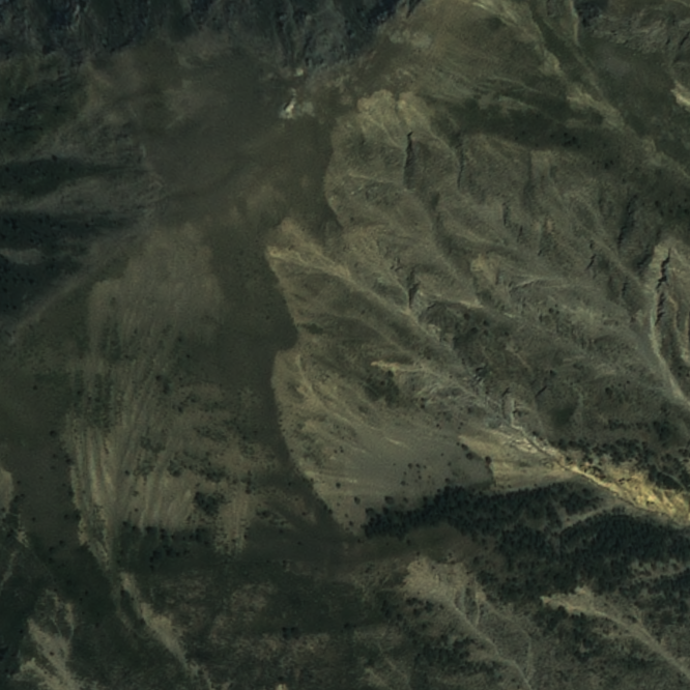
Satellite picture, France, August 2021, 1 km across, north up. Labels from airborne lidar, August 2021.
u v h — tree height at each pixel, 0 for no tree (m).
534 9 0
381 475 0
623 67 0
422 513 8
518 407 0
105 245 0
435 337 0
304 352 0
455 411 0
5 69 0
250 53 0
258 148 0
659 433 8
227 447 0
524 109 0
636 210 0
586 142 0
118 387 0
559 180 0
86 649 0
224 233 0
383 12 0
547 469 0
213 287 0
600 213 0
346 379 0
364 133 0
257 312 0
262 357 0
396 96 0
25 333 0
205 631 0
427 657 9
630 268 0
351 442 0
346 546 0
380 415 0
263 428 0
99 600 0
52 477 0
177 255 0
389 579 0
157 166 0
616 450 15
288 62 0
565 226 0
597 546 20
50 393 0
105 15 0
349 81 0
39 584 0
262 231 0
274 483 0
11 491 0
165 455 0
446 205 0
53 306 0
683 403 0
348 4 0
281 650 0
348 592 0
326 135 0
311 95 0
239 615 0
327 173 0
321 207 0
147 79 0
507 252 0
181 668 0
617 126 0
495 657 0
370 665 10
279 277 0
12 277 0
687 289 0
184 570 0
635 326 0
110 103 0
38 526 0
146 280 0
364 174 0
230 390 0
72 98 0
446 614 0
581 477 0
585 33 0
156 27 0
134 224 0
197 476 0
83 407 0
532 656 0
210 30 0
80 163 0
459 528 14
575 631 11
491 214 0
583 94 0
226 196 0
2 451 0
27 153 0
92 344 0
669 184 0
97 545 0
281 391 0
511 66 0
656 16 0
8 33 0
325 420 0
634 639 0
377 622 0
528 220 0
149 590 0
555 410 0
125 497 0
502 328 0
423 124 0
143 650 0
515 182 0
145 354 0
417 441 0
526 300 0
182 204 0
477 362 0
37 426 0
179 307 0
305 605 0
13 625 0
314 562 0
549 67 0
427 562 0
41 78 0
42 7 0
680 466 11
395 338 0
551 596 13
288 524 0
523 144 0
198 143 0
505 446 0
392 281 0
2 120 0
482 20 0
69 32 0
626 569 8
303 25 0
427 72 0
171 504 0
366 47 0
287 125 0
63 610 0
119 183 0
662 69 0
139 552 0
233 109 0
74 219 0
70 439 0
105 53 0
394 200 0
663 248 0
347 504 0
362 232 0
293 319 0
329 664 0
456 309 0
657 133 0
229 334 0
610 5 0
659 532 13
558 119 0
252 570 0
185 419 0
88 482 0
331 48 0
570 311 0
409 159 0
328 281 0
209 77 0
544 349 0
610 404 0
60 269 0
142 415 0
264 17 0
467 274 0
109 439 0
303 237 0
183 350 0
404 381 0
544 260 0
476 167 0
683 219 0
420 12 0
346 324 0
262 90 0
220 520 0
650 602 0
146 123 0
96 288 0
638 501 0
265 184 0
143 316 0
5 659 7
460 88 0
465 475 0
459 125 0
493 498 8
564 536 8
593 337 0
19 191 0
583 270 0
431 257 0
